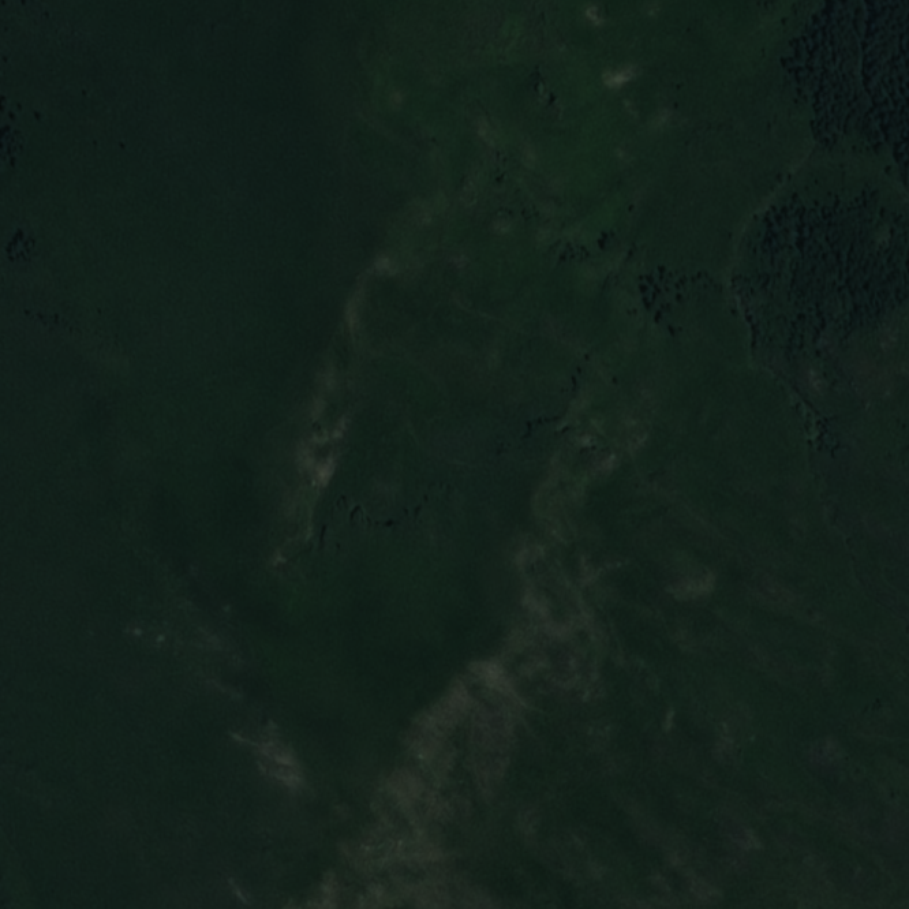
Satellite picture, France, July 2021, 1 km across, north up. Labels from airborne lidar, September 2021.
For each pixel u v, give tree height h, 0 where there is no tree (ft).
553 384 0
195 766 0
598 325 0
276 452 0
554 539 0
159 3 0
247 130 0
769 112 0
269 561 0
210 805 0
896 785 0
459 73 0
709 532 0
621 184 0
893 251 41
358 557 0
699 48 0
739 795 0
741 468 0
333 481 0
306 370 0
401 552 0
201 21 0
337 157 0
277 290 0
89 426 0
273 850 0
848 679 0
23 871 0
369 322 0
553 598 0
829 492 0
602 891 0
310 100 0
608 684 0
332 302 0
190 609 0
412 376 0
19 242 40
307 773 0
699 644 0
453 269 0
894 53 47
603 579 0
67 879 0
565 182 0
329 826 0
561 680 0
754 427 0
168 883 0
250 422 0
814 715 0
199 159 0
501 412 0
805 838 0
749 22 0
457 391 0
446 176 0
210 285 0
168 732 0
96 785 0
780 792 0
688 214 0
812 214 34
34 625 0
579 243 29
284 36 0
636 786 0
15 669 0
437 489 0
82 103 0
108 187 0
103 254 0
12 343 0
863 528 0
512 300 0
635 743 0
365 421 0
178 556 0
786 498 0
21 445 0
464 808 0
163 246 0
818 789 0
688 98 0
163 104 0
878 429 0
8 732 0
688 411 0
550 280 0
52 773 0
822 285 35
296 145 0
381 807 0
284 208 0
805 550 0
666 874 0
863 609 0
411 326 0
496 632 0
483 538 0
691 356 0
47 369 0
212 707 0
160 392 0
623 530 0
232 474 0
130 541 0
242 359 0
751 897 0
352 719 0
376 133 0
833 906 0
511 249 0
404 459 0
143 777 0
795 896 0
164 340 0
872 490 0
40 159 0
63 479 0
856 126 46
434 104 0
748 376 0
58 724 0
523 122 0
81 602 0
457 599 0
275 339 0
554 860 0
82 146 0
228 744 0
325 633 0
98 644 0
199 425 0
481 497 0
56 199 0
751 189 0
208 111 0
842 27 62
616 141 0
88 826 0
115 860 0
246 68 0
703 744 0
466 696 0
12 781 0
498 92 0
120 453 0
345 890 0
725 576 0
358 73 0
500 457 0
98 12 0
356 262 0
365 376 0
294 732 0
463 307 0
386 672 0
